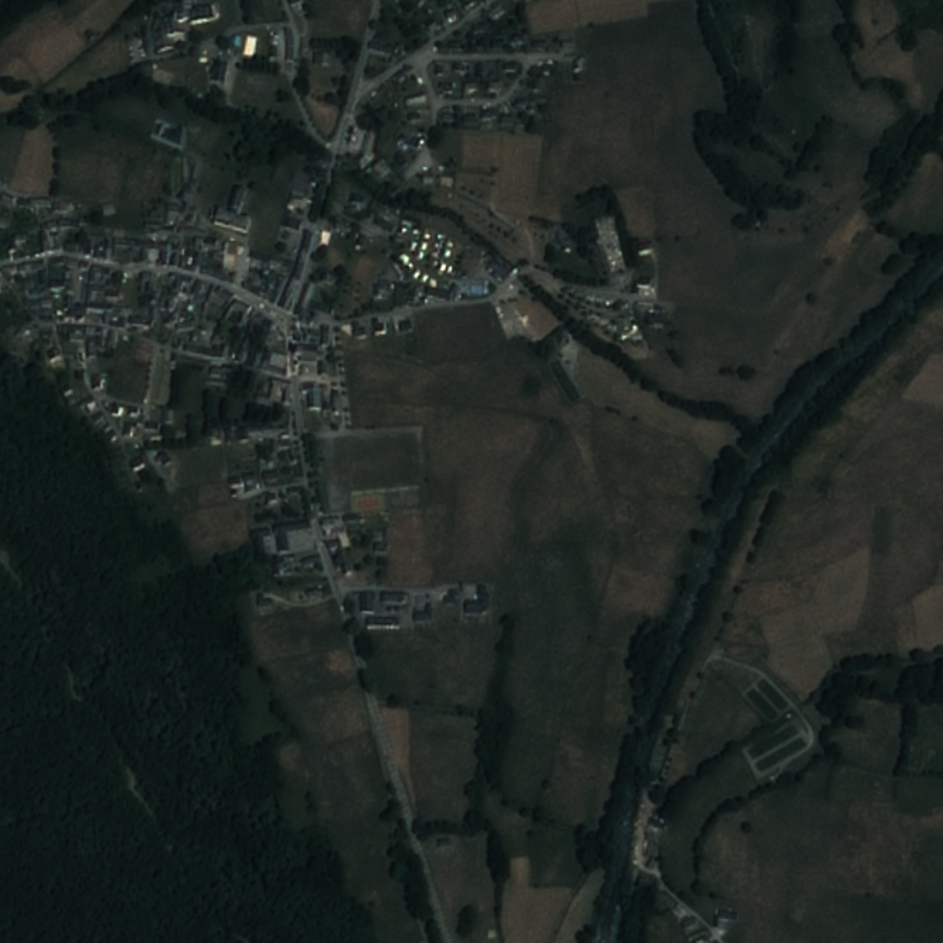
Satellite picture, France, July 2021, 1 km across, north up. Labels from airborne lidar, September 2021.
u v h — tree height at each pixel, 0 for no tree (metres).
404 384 0
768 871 0
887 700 14
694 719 0
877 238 0
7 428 13
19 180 0
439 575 0
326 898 19
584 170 0
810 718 0
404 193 6
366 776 0
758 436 16
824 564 0
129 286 0
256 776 17
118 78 13
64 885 20
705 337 0
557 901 0
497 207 0
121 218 0
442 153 0
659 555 0
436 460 0
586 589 0
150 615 9
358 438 0
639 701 16
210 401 12
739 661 0
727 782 0
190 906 18
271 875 26
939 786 0
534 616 0
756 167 0
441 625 0
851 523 0
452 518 0
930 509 0
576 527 0
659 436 0
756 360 0
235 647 9
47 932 23
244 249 0
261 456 7
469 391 0
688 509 0
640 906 14
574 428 0
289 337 0
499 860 24
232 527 0
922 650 13
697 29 0
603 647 0
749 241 0
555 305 18
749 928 0
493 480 0
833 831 0
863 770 0
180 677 15
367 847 0
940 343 0
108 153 0
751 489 20
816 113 0
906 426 0
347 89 6
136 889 19
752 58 0
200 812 22
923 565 0
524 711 0
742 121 15
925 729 0
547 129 0
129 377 0
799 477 0
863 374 14
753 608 0
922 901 0
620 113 0
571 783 0
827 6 0
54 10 0
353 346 0
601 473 0
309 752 0
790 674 0
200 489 0
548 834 0
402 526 0
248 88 0
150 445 11
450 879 0
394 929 0
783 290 0
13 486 21
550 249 8
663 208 0
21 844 22
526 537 0
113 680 25
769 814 0
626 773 22
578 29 0
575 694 0
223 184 0
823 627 0
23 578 9
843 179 0
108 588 17
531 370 0
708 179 0
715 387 0
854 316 0
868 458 0
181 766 21
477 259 0
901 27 7
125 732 18
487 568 0
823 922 0
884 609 0
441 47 14
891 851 0
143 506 8
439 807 0
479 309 0
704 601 17
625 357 13
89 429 12
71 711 15
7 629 19
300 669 0
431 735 0
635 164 0
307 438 10
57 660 16
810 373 20
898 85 17
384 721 0
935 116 11
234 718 22
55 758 19
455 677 0
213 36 0
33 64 0
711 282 0
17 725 7
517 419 0
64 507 16
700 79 0
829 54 0
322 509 5
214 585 8
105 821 20
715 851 0
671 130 0
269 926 21
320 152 12
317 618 0
